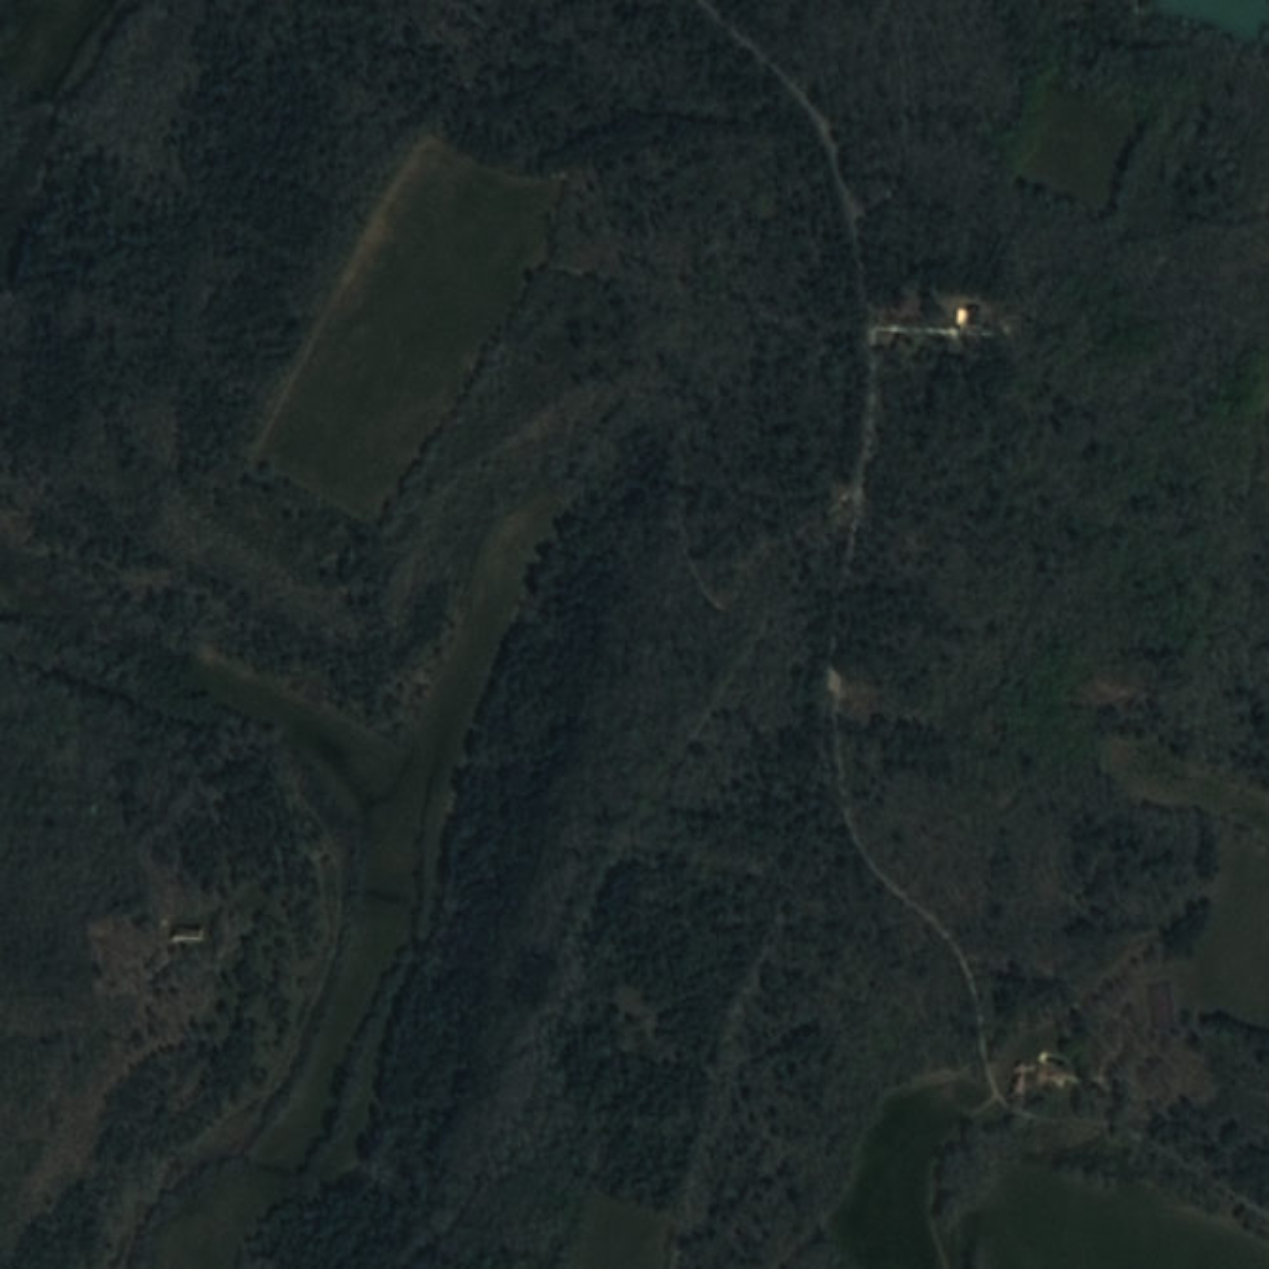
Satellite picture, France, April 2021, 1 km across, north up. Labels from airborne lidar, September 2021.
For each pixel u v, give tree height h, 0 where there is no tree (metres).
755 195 11
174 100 8
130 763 11
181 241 13
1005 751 13
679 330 17
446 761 0
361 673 13
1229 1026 17
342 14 13
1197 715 19
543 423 14
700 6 9
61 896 12
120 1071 8
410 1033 14
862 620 11
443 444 12
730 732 11
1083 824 12
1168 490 15
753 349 10
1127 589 15
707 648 14
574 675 17
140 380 10
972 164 19
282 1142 0
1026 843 13
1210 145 13
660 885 12
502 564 0
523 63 9
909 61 15
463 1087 16
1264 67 12
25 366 12
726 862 10
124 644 6
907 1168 0
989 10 18
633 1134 13
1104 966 13
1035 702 16
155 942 15
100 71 14
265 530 7
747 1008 13
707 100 13
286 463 0
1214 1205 15
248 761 10
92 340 15
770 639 10
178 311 11
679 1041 12
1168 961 14
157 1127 13
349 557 12
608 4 12
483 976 15
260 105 8
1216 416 20
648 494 10
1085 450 17
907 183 17
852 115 16
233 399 7
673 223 7
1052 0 17
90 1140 15
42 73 0
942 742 14
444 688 0
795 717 9
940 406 17
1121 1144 13
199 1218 0
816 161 9
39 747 22
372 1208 16
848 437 14
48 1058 13
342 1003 0
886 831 12
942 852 17
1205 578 19
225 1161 7
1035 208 20
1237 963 0
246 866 17
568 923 9
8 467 11
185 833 18
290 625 11
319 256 13
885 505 11
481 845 10
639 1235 0
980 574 15
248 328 12
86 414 11
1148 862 15
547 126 6
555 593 9
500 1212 11
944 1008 9
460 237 0
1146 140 16
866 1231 0
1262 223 13
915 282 15
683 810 8
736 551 10
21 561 11
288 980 7
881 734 16
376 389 0
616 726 11
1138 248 20
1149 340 19
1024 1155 6
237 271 10
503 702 13
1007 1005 16
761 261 9
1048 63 20
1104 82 19
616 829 14
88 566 11
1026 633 14
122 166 12
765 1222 10
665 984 11
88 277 16
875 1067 15
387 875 0
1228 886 0
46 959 10
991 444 17
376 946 0
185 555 13
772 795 10
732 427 7
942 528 9
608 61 10
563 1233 8
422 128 18
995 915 13
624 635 13
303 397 0
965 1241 0
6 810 12
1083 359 18
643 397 14
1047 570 15
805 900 11
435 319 0
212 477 7
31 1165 11
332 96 14
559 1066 6
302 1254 12
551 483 17
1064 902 14
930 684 14
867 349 14
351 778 0
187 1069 16
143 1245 13
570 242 12
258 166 11
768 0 11
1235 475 14
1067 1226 0
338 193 12
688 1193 12
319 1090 0
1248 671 20
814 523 11
